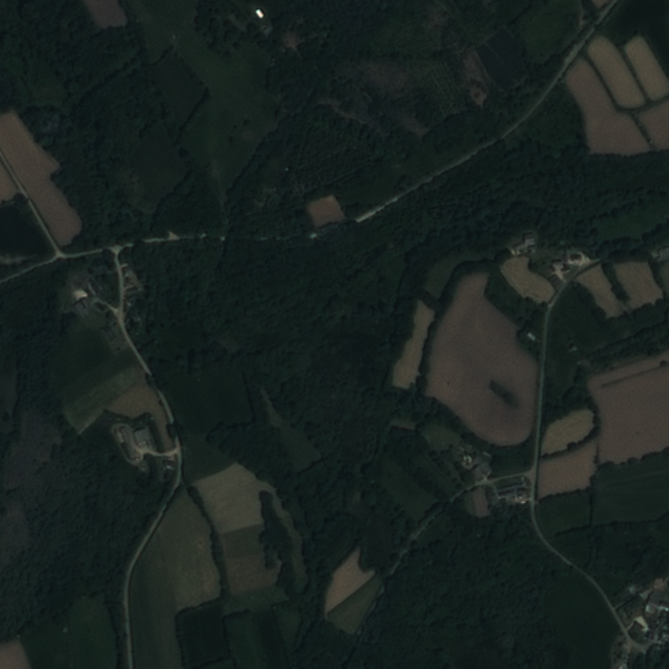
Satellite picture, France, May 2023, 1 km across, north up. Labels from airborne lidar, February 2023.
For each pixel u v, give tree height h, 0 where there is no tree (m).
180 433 13
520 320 9
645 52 0
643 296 0
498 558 10
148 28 0
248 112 0
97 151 26
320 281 18
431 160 0
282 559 15
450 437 0
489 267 14
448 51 8
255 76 0
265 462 11
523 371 0
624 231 0
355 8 17
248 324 7
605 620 0
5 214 0
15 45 18
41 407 14
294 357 6
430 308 9
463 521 12
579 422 0
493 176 13
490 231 9
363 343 0
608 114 0
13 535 0
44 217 0
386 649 19
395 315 9
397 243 10
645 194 7
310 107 11
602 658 0
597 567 9
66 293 0
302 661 18
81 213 15
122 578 21
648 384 0
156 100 16
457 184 11
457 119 11
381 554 0
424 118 8
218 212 13
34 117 23
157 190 0
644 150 0
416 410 25
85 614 0
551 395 6
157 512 7
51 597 18
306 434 14
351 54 8
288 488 21
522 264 0
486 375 0
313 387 9
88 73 20
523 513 9
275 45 8
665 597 0
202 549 0
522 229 14
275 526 17
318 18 6
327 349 6
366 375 0
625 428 0
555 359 0
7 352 17
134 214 11
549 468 0
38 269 7
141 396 0
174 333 0
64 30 6
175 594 0
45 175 0
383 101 6
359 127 10
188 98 0
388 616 16
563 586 0
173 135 12
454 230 16
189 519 0
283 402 6
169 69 0
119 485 9
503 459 7
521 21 8
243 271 10
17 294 7
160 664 0
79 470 6
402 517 8
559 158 19
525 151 18
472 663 0
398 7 9
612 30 0
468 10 8
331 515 7
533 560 8
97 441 0
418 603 9
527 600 6
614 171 16
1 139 0
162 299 9
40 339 19
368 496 17
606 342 0
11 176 0
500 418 0
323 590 11
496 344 0
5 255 0
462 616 7
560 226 18
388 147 14
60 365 0
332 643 14
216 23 8
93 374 0
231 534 0
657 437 0
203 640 0
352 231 20
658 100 0
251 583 0
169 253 11
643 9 0
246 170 10
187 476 8
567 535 10
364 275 16
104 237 10
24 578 8
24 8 23
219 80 0
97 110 20
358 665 16
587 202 15
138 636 0
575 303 0
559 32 0
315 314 8
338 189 13
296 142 13
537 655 7
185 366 6
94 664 0
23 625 8
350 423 0
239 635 0
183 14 0
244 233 13
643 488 0
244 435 17
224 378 0
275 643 0
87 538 9
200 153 0
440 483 0
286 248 8
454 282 12
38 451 0
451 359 0
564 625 0
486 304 0
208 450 0
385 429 9
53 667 0
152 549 0
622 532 10
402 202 6
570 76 0
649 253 7
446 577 9
